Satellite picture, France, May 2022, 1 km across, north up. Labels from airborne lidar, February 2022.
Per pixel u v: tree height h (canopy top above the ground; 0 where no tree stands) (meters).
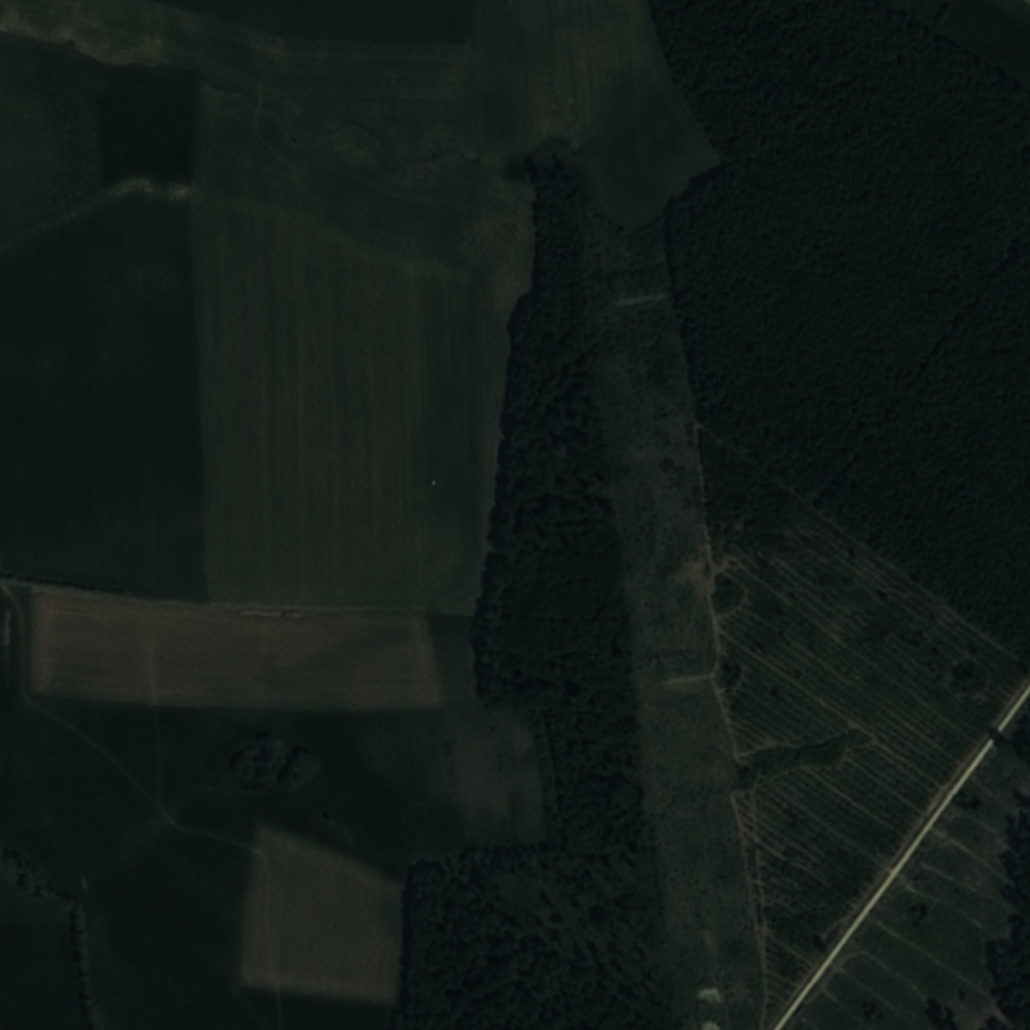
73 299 0
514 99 0
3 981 0
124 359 0
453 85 0
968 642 0
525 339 20
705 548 0
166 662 0
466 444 0
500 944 25
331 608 0
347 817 0
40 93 0
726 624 0
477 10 0
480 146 0
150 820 0
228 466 0
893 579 0
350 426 0
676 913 0
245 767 13
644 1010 24
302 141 0
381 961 0
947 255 19
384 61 0
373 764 0
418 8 0
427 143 0
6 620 0
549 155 0
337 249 0
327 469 0
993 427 16
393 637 0
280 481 0
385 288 0
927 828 0
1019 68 0
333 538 0
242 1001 0
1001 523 18
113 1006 0
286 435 0
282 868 0
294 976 0
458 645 0
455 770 0
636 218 0
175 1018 0
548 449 30
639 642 0
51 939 0
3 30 0
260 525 0
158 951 0
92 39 0
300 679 0
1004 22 0
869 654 0
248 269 0
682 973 0
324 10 0
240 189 0
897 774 0
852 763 0
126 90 0
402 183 0
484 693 17
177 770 0
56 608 0
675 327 0
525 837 0
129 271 0
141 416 0
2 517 0
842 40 20
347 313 0
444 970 23
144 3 0
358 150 0
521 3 0
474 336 0
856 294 17
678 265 17
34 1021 0
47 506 0
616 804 24
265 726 0
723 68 18
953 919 0
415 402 0
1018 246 17
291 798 0
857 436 20
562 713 22
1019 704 0
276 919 0
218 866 0
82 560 0
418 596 0
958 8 0
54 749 0
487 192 0
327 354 0
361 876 0
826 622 0
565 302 21
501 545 25
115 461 0
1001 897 0
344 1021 0
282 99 0
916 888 0
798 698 0
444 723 0
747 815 0
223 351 0
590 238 0
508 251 0
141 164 0
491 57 0
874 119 21
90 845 0
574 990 17
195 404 0
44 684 0
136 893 0
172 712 0
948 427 18
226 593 0
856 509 18
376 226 0
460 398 0
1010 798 0
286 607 0
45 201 0
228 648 0
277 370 0
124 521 0
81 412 0
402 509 0
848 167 19
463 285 0
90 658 0
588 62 0
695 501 0
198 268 0
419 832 0
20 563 0
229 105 0
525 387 20
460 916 27
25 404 0
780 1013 0
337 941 0
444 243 0
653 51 0
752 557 0
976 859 0
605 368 0
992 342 16
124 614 0
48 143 0
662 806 0
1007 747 24
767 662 0
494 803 0
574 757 24
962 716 0
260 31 0
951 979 0
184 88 0
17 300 0
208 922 0
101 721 0
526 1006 28
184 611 0
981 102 19
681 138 0
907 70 19
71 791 0
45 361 0
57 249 0
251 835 0
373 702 0
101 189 0
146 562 0
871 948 0
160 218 0
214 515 0
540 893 0
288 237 0
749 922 0
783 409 24
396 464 0
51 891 15
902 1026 0
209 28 0
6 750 0
